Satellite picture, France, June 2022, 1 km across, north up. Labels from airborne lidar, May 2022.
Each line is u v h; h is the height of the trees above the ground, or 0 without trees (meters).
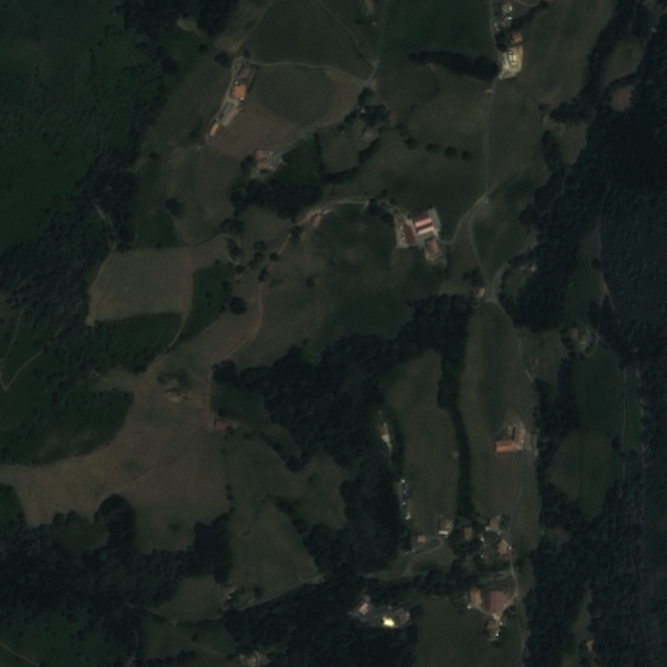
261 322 0
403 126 10
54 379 14
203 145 0
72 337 10
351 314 0
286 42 0
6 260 13
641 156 23
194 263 0
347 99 0
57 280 16
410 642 10
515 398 0
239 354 0
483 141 0
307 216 0
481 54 0
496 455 0
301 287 0
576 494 0
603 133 24
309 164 0
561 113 19
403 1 0
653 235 7
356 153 0
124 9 14
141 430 0
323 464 0
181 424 0
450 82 0
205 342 0
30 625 12
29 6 0
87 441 0
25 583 19
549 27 0
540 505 0
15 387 0
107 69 0
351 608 19
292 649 19
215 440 0
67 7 0
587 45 0
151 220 0
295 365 23
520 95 0
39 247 12
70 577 19
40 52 0
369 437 9
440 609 0
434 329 23
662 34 18
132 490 0
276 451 17
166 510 0
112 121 9
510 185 0
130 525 17
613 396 0
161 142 0
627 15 21
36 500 0
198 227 0
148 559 14
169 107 0
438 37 0
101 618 12
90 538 0
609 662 8
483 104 0
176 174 0
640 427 0
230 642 0
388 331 0
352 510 18
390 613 0
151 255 0
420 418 0
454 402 16
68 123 9
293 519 11
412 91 0
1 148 8
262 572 0
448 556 0
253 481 0
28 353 0
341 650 25
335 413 11
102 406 0
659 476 0
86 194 16
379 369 13
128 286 0
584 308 0
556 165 7
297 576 0
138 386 0
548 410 24
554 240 27
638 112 14
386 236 0
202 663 0
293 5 0
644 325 10
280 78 0
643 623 8
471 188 0
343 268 0
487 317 0
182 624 7
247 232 0
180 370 0
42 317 9
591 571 16
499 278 0
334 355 20
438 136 0
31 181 0
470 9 0
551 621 15
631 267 7
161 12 16
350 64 0
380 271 0
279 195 12
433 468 0
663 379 9
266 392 14
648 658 10
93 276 0
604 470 0
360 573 12
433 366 0
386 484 12
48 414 0
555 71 0
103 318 0
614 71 0
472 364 0
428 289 0
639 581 12
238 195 12
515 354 0
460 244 0
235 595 14
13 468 0
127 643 12
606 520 10
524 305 25
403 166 0
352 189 0
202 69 0
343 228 0
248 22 0
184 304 0
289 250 0
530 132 0
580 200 16
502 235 0
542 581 9
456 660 0
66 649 0
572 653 0
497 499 0
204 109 0
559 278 23
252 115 0
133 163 16
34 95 6
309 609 22
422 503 0
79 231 11
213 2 13
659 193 14
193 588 0
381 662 19
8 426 0
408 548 13
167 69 18
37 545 17
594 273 0
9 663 0
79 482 0
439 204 0
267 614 6
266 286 0
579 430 18
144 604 11
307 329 0
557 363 0
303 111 0
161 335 0
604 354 0
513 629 0
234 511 9
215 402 0
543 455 9
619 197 10
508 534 0
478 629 0
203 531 22
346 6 0
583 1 0
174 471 0
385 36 0
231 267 10
